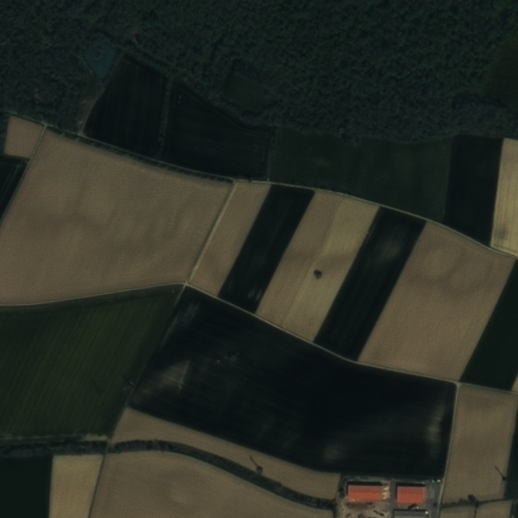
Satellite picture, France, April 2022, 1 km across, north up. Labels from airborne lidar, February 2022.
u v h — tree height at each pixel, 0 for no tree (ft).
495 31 94
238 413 0
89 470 0
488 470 0
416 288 0
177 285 0
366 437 0
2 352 0
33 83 105
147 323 0
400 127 73
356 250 0
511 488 0
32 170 0
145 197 0
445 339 0
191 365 0
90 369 0
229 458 0
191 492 0
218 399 0
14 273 0
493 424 0
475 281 0
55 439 0
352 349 0
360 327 0
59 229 0
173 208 0
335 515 0
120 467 0
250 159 0
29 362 0
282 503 0
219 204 0
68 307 0
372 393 0
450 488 0
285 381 0
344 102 68
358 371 0
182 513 0
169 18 85
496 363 0
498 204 0
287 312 0
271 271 0
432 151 0
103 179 0
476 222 0
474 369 0
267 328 0
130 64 0
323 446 0
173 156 0
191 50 67
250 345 0
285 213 0
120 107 0
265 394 0
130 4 91
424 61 79
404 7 64
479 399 0
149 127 0
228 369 0
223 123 0
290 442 0
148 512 0
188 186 0
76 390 0
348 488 0
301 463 0
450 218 0
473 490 0
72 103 90
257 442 0
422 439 0
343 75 78
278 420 0
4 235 0
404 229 0
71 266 0
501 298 0
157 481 0
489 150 0
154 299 0
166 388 0
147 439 0
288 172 0
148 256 0
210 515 0
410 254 0
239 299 0
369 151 0
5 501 0
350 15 68
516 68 0
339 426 0
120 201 0
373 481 0
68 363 0
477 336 0
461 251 0
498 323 0
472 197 0
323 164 0
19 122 0
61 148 0
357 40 64
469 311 0
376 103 76
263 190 0
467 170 0
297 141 0
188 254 0
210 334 0
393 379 0
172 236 0
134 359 0
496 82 0
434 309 0
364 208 0
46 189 0
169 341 0
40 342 0
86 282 0
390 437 0
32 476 0
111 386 0
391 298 0
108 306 0
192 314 0
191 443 0
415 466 0
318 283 0
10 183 0
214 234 0
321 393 0
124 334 0
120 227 0
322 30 68
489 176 0
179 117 0
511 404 0
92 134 0
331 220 0
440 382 0
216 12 68
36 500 0
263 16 34
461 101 85
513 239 0
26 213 0
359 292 0
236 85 0
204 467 0
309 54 31
